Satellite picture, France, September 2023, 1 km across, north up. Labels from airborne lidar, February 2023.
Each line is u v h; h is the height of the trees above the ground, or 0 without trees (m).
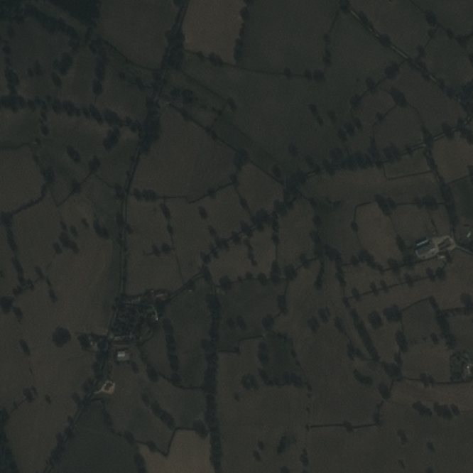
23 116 0
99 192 0
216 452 15
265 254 0
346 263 0
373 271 0
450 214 16
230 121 0
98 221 0
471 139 19
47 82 0
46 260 0
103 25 0
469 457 0
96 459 0
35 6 0
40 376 0
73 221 0
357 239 0
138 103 0
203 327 0
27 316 0
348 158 0
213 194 11
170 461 0
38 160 12
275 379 0
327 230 0
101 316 0
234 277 0
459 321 0
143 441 0
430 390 0
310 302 0
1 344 0
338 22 0
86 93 0
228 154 0
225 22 0
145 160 0
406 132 0
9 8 22
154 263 0
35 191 0
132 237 0
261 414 0
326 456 0
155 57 0
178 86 0
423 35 0
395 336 0
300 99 0
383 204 20
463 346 0
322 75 12
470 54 0
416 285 0
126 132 0
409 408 0
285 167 0
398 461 0
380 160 20
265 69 0
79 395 0
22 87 0
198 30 0
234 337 0
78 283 0
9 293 0
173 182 0
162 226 0
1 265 0
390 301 0
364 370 0
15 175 0
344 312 0
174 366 15
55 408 0
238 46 12
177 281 0
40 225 0
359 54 0
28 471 0
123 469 0
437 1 0
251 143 0
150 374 19
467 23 0
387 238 0
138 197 19
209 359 14
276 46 0
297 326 0
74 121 0
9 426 0
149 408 0
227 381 0
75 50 14
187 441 0
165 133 0
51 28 20
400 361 16
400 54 0
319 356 0
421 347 0
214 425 15
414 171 0
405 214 0
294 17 0
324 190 0
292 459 0
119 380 0
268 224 14
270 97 0
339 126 0
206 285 0
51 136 0
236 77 0
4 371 0
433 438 0
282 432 0
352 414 0
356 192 0
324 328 0
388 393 11
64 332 13
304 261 18
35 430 0
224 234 0
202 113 0
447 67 0
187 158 0
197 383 0
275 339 0
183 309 0
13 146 0
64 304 0
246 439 0
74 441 0
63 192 0
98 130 0
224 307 0
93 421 0
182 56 14
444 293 0
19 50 0
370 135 0
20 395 0
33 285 16
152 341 0
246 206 16
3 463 26
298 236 0
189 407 0
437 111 0
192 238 0
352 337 0
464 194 0
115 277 0
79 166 0
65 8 9
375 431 0
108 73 0
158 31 0
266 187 0
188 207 0
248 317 0
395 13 0
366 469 0
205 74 0
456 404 0
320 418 0
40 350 0
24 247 0
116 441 0
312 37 0
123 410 0
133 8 0
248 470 0
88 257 0
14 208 0
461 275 0
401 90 0
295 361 0
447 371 0
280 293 0
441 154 0
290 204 17
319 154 0
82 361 0
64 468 0
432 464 0
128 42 0
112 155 0
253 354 0
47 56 0
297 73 0
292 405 0
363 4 0
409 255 0
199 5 0
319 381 0
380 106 0
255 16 0
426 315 0
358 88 0
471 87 14
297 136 0
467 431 0
